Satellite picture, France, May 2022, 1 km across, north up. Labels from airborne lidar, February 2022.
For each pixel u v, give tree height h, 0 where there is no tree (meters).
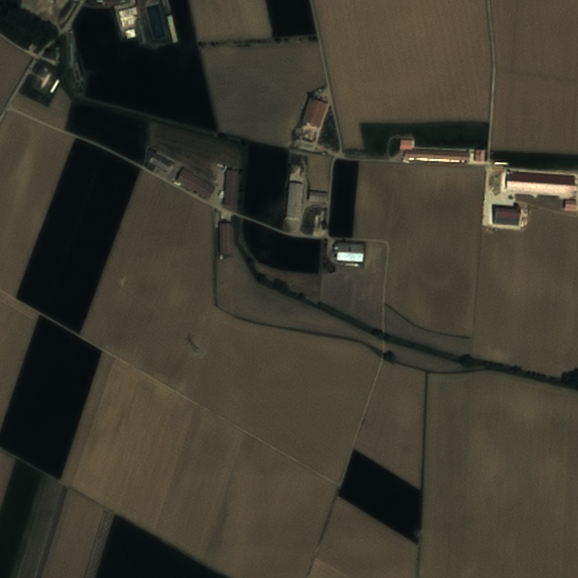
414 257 0
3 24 0
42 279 0
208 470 0
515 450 0
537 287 0
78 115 0
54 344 0
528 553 0
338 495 0
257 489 0
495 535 0
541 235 0
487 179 0
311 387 0
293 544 0
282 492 0
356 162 0
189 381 0
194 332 0
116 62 0
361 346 0
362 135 0
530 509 0
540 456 0
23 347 0
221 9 0
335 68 0
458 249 0
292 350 0
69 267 0
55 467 0
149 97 0
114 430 0
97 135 0
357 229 0
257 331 0
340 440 0
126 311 0
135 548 0
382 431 0
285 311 0
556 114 0
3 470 0
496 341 0
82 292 0
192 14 0
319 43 0
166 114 0
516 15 0
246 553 0
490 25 0
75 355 0
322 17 0
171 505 0
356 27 0
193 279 0
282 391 0
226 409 0
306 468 0
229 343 0
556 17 0
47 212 0
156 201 0
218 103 0
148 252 0
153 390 0
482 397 0
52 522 0
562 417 0
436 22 0
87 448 0
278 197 0
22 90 0
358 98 0
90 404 0
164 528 0
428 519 0
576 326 0
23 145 0
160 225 0
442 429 0
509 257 0
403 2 0
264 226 0
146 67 0
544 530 0
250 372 0
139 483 0
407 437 0
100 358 0
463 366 13
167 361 0
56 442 0
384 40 0
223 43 0
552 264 0
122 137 0
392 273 0
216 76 0
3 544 0
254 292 0
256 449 0
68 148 0
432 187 0
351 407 0
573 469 0
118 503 0
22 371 0
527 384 0
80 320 0
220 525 0
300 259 0
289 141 0
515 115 0
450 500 0
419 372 0
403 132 0
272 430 0
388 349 0
